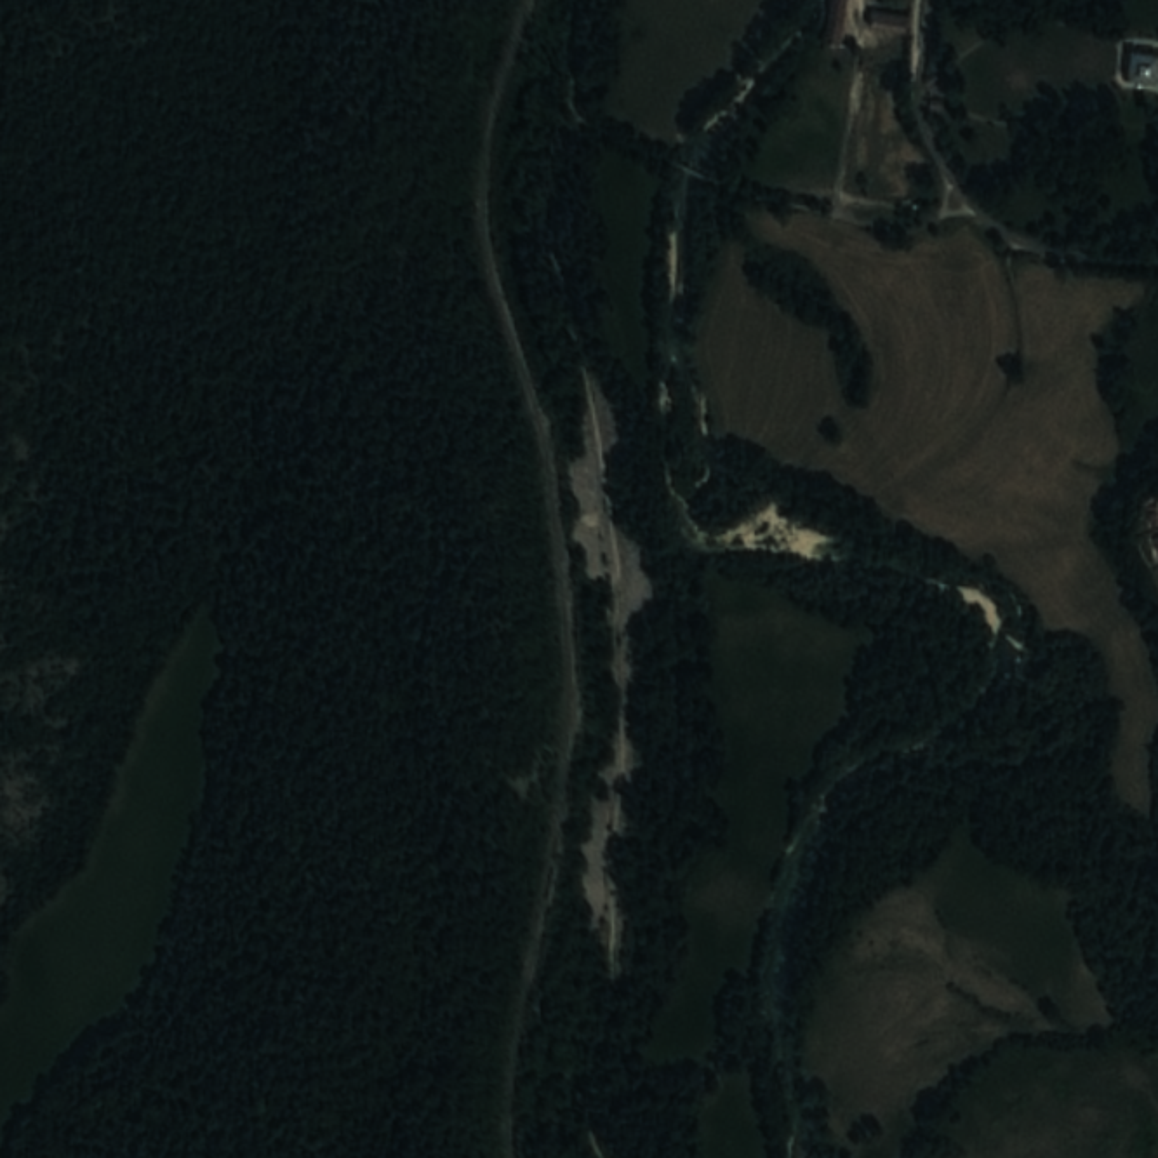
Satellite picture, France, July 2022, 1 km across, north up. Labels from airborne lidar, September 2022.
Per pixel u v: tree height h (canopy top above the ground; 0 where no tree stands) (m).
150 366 15
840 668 0
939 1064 0
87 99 10
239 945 16
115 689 6
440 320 13
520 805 12
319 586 17
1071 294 0
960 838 0
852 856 28
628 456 22
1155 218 23
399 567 9
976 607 9
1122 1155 0
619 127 16
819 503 29
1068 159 36
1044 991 0
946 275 0
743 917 0
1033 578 0
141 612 12
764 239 0
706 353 0
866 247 0
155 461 9
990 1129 0
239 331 18
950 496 0
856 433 0
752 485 13
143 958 0
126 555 15
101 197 14
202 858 16
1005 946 0
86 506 18
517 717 9
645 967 24
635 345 0
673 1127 28
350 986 19
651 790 29
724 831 19
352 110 15
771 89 11
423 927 14
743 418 0
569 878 24
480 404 11
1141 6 0
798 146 0
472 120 18
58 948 0
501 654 8
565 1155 32
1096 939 18
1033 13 27
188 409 8
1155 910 16
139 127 11
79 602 13
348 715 15
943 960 0
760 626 0
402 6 15
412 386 15
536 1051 26
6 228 11
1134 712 0
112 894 0
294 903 13
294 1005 18
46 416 9
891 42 0
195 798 0
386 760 18
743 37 0
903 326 0
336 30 14
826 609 22
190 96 12
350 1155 12
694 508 13
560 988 24
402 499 22
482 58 12
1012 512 0
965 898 0
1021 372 20
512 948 15
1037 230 15
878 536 25
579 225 28
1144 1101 0
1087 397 0
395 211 17
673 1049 0
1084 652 20
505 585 9
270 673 15
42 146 9
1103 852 21
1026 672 6
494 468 13
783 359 0
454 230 21
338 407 9
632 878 32
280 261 18
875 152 0
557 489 7
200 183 11
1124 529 16
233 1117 15
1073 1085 0
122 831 0
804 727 0
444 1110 17
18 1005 0
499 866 14
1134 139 0
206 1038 6
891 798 27
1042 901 0
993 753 12
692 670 28
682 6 0
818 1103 15
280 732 10
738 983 22
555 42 11
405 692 12
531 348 8
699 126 19
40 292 9
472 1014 23
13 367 7
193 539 12
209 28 9
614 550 0
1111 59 0
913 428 0
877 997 0
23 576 9
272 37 16
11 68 9
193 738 0
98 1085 19
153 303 9
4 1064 0
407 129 12
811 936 25
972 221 0
